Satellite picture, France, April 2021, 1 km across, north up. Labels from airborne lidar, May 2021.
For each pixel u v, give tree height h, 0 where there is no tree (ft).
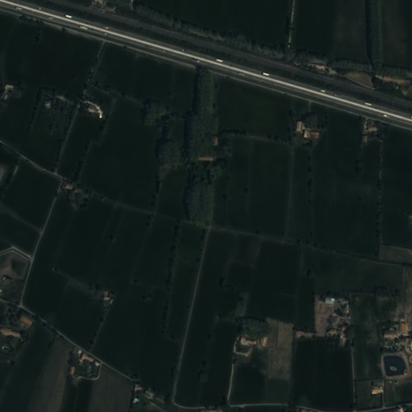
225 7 0
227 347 0
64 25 0
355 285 0
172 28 19
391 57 0
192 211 117
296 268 0
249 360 0
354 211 0
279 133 0
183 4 0
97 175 0
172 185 0
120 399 0
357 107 0
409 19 0
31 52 0
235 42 71
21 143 0
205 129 122
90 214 0
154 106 87
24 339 37
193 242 0
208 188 106
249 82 0
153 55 0
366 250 0
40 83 0
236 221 0
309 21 0
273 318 0
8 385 0
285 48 71
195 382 0
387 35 0
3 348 0
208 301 0
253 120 0
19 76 0
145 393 22
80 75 0
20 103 0
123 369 0
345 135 0
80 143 0
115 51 0
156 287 0
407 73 57
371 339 0
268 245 0
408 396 0
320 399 0
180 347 0
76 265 0
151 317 0
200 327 0
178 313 0
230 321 0
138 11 73
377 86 37
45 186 0
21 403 0
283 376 0
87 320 0
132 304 0
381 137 32
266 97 0
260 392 0
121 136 0
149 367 0
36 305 0
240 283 0
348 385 0
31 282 0
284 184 0
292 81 0
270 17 0
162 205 0
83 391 0
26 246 0
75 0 0
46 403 0
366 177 0
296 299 0
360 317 0
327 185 0
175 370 41
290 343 0
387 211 0
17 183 0
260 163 0
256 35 0
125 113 0
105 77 0
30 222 0
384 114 0
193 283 0
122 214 0
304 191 0
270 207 0
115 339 0
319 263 0
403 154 0
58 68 0
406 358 0
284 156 0
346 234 0
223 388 0
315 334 22
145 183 0
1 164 0
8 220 0
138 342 0
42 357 0
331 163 0
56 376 0
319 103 0
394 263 20
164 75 0
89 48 0
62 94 23
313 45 0
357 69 57
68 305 0
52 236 0
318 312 0
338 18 0
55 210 0
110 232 0
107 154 0
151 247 0
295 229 0
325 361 0
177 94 0
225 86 0
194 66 0
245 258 0
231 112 0
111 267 0
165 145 89
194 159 95
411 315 0
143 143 0
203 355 0
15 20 0
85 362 34
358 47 0
